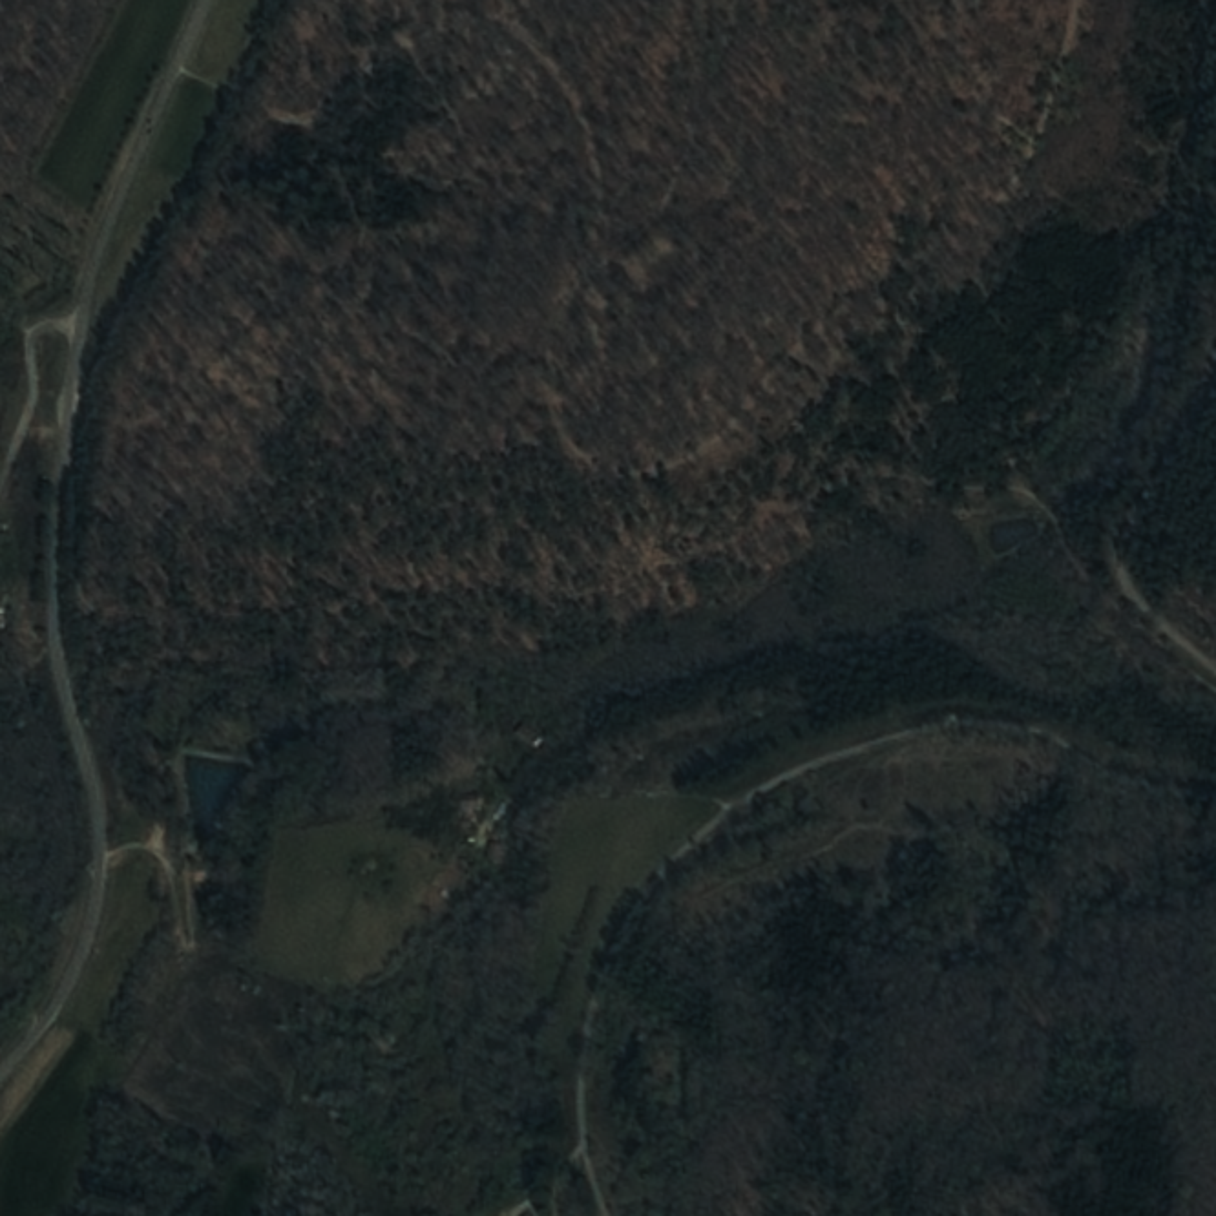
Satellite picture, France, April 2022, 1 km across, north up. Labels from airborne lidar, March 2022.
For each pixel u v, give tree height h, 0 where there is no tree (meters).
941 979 31
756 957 19
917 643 23
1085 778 30
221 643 30
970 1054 33
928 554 19
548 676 21
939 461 15
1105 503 23
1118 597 25
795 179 21
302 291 27
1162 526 30
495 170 29
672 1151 26
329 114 22
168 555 28
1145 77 6
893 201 20
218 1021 0
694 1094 22
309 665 30
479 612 27
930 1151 22
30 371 0
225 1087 0
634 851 0
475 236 32
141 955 0
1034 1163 28
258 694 20
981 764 0
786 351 24
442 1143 7
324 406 29
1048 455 29
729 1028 27
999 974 28
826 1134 21
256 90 23
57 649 0
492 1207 16
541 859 19
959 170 22
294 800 22
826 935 21
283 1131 27
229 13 0
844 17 25
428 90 25
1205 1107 23
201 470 29
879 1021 29
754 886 0
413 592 22
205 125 0
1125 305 27
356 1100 24
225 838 12
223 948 20
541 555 22
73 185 0
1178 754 21
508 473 29
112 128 0
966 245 26
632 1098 21
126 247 0
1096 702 23
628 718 25
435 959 21
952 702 23
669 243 28
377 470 28
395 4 27
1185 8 7
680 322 25
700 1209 26
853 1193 20
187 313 31
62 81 32
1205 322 30
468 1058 26
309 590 28
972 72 25
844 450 11
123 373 27
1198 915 28
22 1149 0
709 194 29
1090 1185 25
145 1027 29
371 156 17
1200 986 37
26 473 10
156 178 0
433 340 30
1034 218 21
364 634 33
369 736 28
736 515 20
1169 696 26
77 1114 0
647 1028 17
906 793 0
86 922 0
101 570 22
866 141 20
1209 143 40
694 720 20
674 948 26
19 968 12
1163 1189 20
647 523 19
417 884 0
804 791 0
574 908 0
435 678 24
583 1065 22
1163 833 28
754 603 0
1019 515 0
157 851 0
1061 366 20
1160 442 27
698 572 16
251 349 27
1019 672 27
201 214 22
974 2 28
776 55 24
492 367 26
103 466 9
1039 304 19
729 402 25
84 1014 0
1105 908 22
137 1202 19
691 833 0
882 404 20
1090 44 7
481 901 21
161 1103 0
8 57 33
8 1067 0
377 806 20
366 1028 22
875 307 26
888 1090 24
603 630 24
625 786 0
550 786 12
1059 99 24
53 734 18
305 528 25
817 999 30
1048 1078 27
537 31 24
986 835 27
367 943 0
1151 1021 32
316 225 12
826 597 17
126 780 20
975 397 15
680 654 24
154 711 21
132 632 23
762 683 22
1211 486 25
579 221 31
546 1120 28
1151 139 28
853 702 26
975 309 17
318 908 0
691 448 24
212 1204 28
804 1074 30
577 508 29
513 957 25
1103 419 6
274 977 0
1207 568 27
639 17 28
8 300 17
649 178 28
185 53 0
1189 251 37
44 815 16
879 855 0
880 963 27
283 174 16
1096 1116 27
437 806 0
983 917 26
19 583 0
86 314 0
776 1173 26
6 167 32
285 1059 0
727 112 21
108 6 32
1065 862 33
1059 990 30
